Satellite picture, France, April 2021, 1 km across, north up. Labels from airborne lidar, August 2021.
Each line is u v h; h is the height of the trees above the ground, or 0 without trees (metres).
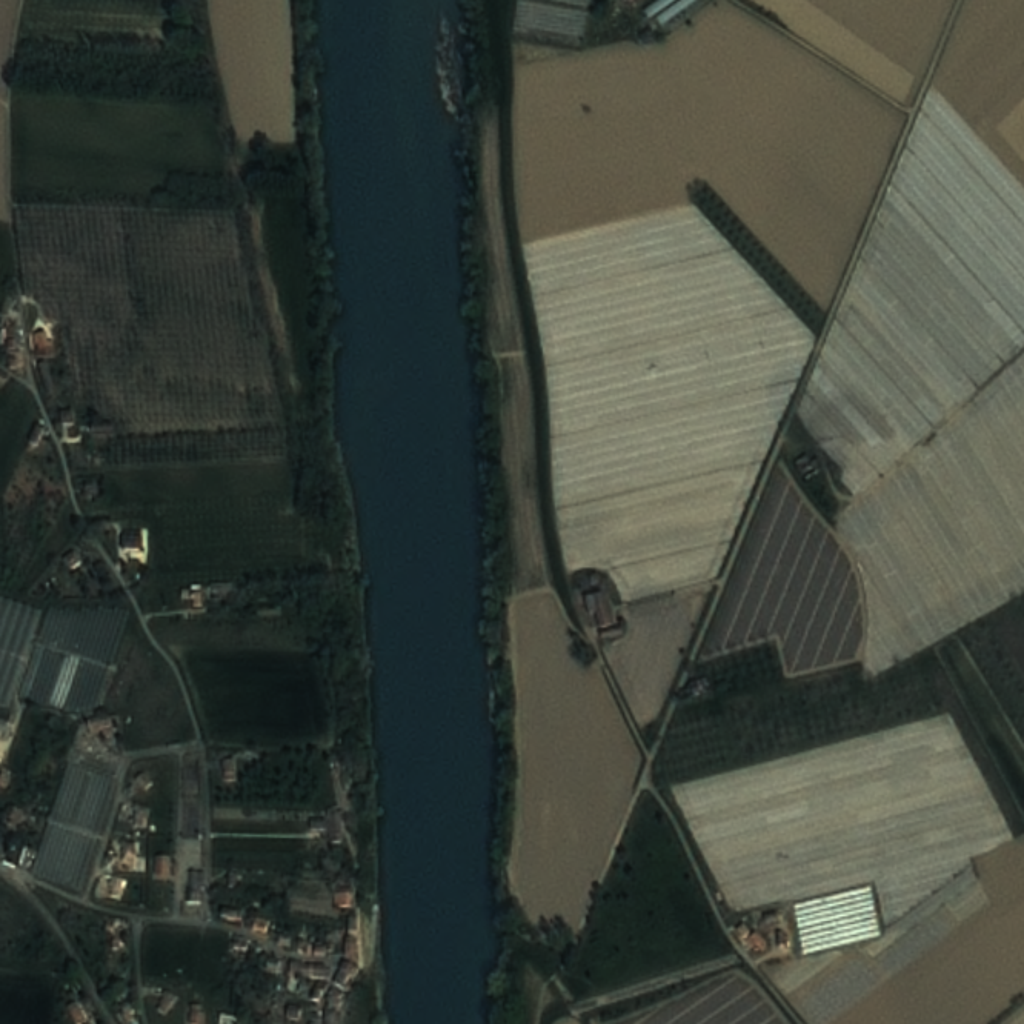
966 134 0
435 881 0
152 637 0
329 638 13
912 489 0
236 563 0
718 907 0
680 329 0
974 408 0
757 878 0
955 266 0
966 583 0
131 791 0
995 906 0
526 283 0
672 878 0
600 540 0
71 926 9
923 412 0
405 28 0
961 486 0
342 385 0
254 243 15
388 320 0
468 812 0
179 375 19
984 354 0
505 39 0
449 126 0
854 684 8
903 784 0
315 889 0
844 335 0
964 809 0
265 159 22
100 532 17
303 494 13
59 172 0
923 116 0
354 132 0
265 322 20
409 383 0
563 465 0
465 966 0
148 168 0
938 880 0
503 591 6
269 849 0
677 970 0
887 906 0
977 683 0
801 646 0
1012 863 0
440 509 0
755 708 14
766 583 0
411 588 0
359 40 0
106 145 0
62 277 22
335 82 0
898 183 0
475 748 0
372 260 0
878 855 0
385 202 0
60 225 21
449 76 0
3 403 0
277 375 16
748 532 0
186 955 0
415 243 0
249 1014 11
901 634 0
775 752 16
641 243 0
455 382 0
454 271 0
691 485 0
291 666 0
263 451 17
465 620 0
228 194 12
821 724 12
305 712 0
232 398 15
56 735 14
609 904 13
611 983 0
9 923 0
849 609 0
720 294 0
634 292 0
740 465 0
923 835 0
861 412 0
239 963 6
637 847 0
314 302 10
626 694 0
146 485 0
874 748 0
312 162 27
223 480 0
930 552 0
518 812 11
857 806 0
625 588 0
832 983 0
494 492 24
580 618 0
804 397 0
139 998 12
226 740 0
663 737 0
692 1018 0
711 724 12
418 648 0
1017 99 0
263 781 13
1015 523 0
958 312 0
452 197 0
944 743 0
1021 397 0
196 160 0
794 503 0
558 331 0
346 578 12
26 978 0
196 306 29
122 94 17
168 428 18
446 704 0
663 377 0
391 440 0
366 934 0
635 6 0
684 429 0
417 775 0
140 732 0
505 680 17
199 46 21
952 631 0
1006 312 0
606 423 0
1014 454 0
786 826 0
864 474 0
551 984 0
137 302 20
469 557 0
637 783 0
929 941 0
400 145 0
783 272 7
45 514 6
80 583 9
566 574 0
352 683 15
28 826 8
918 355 0
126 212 23
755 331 0
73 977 12
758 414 0
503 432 16
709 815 0
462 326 0
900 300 0
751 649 14
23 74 20
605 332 0
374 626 0
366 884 16
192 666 0
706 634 0
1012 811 0
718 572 0
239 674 0
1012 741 0
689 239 0
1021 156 0
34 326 0
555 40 0
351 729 12
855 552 0
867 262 0
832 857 0
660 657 0
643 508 0
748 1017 0
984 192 0
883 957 0
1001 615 0
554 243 0
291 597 8
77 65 14
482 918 0
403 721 0
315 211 25
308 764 12
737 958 0
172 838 5
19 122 0
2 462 0
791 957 0
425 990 0
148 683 0
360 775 31
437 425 0
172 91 14
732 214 9
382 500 0
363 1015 0
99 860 0
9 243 0
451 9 0
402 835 0
